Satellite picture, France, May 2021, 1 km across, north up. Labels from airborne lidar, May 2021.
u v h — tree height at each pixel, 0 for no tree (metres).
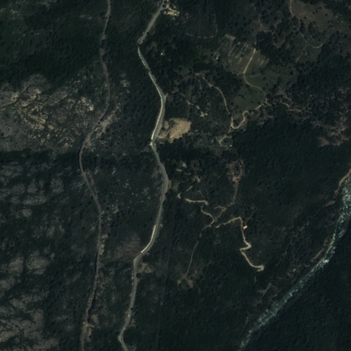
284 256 8
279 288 8
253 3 18
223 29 10
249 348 13
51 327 6
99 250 0
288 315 17
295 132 15
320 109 17
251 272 14
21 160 11
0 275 8
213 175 19
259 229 27
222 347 11
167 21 9
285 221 8
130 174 10
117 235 12
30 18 10
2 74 22
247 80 0
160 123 0
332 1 12
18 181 9
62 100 7
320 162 7
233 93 15
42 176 17
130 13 8
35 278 9
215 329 10
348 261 11
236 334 8
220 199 19
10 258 7
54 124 0
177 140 13
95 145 21
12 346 7
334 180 9
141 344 6
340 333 12
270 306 17
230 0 12
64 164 6
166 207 14
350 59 21
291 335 9
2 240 6
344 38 18
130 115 9
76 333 6
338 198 9
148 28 0
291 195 9
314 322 7
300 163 9
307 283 9
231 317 12
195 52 8
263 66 0
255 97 0
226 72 15
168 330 12
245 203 6
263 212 6
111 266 5
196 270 0
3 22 16
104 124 0
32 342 6
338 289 16
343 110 10
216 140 19
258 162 14
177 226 20
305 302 6
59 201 7
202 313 10
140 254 0
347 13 9
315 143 9
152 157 11
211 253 10
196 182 14
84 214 20
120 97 9
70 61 20
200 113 12
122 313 8
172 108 8
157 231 0
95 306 13
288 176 8
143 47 15
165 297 8
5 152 8
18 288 11
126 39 7
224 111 7
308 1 15
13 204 21
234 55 0
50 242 9
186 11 9
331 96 11
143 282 10
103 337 22
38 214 5
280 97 10
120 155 7
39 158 17
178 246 17
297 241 8
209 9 9
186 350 15
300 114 11
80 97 6
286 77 0
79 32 7
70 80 10
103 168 13
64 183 12
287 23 12
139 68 11
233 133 11
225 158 13
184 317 7
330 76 16
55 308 24
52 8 8
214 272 11
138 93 20
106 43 18
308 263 7
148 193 0
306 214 12
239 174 7
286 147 10
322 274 15
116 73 8
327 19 0
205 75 0
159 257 17
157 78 12
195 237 17
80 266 21
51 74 17
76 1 12
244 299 8
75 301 13
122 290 7
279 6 10
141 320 10
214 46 9
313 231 10
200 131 12
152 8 10
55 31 15
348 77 11
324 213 11
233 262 8
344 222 11
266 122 16
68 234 16
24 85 0
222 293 11
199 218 9
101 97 7
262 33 15
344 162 7
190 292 16
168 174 9
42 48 14
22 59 11
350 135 11
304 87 13
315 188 5
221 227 9
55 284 14
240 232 6
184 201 19
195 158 16
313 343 7
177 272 0
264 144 18
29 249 11
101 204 9
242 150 16
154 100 18
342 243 15
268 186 19
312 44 0
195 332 9
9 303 5
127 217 21
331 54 20
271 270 11
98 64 13
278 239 8
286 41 9
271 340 14
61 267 9
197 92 16
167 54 20
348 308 12
